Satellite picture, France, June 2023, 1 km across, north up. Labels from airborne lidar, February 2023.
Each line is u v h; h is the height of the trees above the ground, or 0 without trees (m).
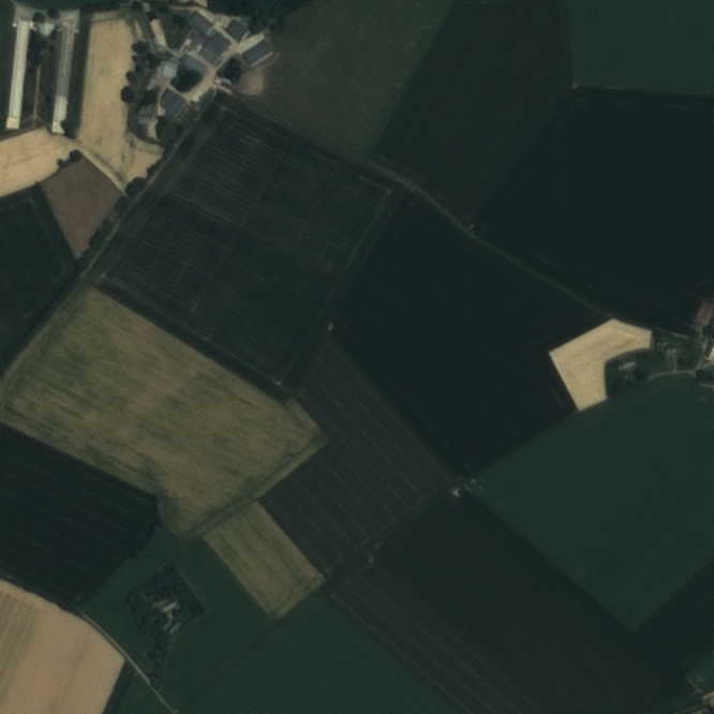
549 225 0
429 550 0
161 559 0
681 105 0
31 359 0
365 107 0
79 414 0
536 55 0
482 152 0
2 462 0
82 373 0
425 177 0
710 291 0
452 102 0
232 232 0
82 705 0
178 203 0
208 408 0
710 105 0
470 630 0
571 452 0
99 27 0
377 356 0
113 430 0
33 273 0
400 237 0
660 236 0
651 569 0
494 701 0
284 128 0
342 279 0
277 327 0
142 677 0
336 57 0
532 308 0
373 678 0
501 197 0
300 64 0
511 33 0
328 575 0
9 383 0
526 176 0
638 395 0
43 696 0
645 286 0
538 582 0
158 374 0
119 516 0
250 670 0
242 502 0
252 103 0
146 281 0
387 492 0
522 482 0
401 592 0
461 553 0
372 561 0
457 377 0
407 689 0
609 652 0
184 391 0
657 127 0
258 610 0
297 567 0
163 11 16
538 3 0
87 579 0
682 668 0
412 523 0
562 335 0
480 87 0
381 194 0
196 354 0
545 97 0
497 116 0
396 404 0
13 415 0
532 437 0
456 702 0
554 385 0
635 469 0
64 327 0
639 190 0
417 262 0
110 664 0
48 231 0
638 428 0
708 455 0
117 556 0
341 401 0
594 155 0
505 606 0
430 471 0
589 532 0
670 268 0
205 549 0
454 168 0
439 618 0
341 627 0
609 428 0
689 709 0
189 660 0
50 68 0
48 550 0
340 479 0
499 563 0
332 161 0
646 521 0
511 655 0
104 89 0
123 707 0
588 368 0
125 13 0
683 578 0
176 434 0
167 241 0
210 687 0
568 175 0
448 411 0
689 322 0
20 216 0
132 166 0
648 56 0
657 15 0
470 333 0
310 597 0
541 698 0
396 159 0
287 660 0
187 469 0
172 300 0
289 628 0
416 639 0
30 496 0
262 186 0
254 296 0
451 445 0
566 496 0
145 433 0
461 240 0
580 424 0
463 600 0
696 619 0
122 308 0
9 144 0
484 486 0
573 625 0
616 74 0
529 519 0
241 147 0
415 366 0
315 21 0
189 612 14
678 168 0
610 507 0
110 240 0
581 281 0
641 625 0
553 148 0
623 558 0
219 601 0
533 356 0
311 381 0
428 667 0
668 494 0
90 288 0
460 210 0
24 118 0
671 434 0
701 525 0
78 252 0
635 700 0
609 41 0
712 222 0
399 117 0
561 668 0
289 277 0
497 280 0
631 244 0
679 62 0
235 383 0
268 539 0
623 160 0
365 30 0
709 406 0
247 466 0
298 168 0
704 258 0
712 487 0
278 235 0
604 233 0
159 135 7
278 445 0
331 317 0
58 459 0
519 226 0
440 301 0
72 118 0
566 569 0
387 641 0
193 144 0
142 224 0
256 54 8
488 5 0
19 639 0
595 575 0
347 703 0
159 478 0
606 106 0
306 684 0
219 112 0
